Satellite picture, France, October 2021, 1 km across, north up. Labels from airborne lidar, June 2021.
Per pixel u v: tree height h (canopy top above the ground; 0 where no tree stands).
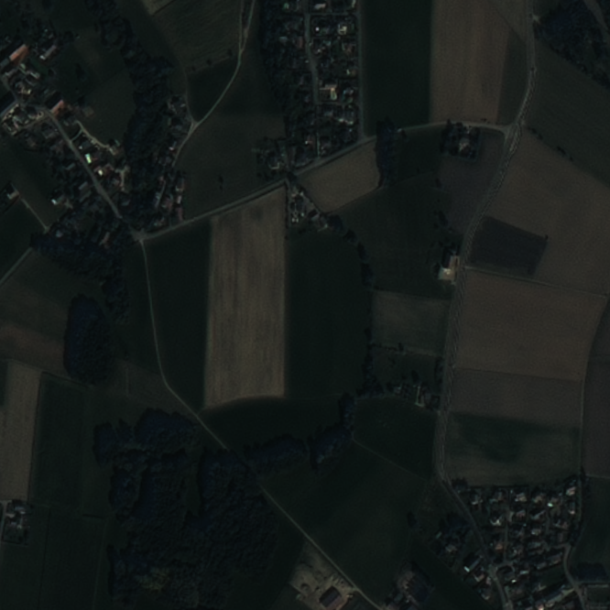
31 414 0
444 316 0
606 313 0
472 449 0
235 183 0
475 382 0
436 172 0
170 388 0
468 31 0
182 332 0
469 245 0
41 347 0
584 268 0
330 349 0
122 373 0
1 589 0
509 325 0
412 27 0
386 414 0
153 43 0
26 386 0
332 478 0
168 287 0
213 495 20
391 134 17
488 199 0
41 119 0
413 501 0
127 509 19
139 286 0
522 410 0
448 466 0
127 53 21
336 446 21
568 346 0
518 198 0
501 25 0
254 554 24
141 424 0
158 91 19
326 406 0
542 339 0
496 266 0
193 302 0
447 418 0
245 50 0
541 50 0
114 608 0
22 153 0
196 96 0
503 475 0
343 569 0
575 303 0
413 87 0
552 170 0
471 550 0
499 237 0
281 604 0
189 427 14
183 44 0
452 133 9
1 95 0
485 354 0
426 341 0
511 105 0
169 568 20
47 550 0
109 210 6
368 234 0
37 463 0
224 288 0
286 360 0
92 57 0
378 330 0
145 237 0
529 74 0
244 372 0
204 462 0
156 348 0
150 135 26
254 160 0
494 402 0
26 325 0
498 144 0
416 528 14
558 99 0
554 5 0
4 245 0
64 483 0
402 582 0
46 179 0
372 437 0
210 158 0
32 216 0
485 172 0
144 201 11
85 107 6
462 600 0
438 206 0
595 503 0
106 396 0
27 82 6
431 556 0
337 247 0
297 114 8
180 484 11
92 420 0
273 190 0
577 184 0
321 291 0
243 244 0
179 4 0
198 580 19
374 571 0
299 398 0
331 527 0
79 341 22
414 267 0
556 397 0
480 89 0
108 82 0
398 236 0
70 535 0
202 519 0
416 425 0
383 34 0
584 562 0
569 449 0
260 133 0
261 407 0
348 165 0
